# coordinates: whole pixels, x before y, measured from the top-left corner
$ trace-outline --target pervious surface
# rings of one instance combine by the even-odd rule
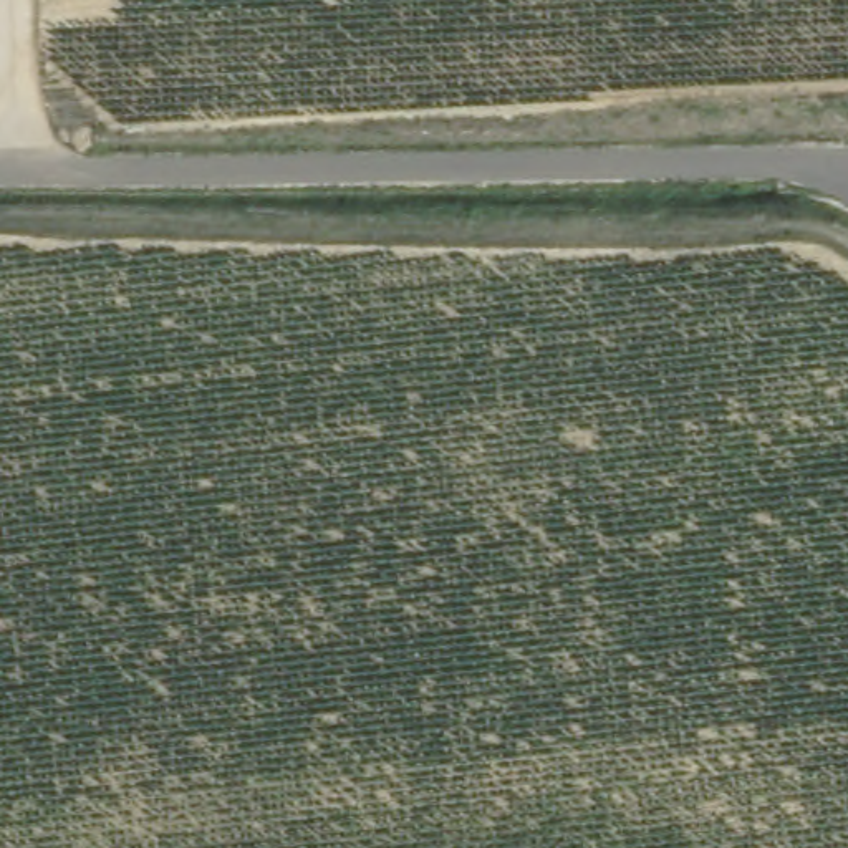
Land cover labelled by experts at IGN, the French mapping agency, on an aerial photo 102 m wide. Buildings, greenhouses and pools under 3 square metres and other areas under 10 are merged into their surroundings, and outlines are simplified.
[[[46,149],[53,139],[36,83],[36,56],[30,43],[30,0],[0,0],[0,149]]]

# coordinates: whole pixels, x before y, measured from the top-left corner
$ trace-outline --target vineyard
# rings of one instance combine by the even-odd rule
[[[782,239],[672,248],[557,248],[252,239],[56,239],[0,232],[0,848],[848,848],[848,258],[835,255],[825,245]]]
[[[848,0],[30,0],[30,43],[36,56],[36,83],[53,139],[73,156],[89,156],[89,129],[96,123],[103,123],[113,133],[142,139],[162,133],[219,133],[305,123],[351,126],[384,119],[513,119],[646,106],[663,99],[742,103],[759,96],[848,93]]]

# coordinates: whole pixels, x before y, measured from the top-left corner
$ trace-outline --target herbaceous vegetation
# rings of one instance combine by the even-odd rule
[[[848,212],[808,199],[802,189],[778,192],[772,179],[759,186],[672,179],[623,186],[494,186],[427,192],[0,192],[0,232],[56,239],[252,239],[557,248],[672,248],[782,239],[825,245],[835,255],[848,258]]]
[[[305,123],[219,133],[162,133],[142,139],[113,133],[103,123],[96,123],[89,129],[89,156],[345,156],[848,142],[848,93],[759,96],[742,103],[663,99],[646,106],[513,119],[384,119],[351,126]]]

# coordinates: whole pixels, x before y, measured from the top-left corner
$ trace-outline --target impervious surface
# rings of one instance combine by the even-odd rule
[[[0,149],[0,192],[427,192],[494,186],[623,186],[672,179],[759,186],[772,179],[778,192],[802,189],[808,199],[848,212],[848,142],[345,156],[89,156],[73,156],[53,139],[46,149]]]

